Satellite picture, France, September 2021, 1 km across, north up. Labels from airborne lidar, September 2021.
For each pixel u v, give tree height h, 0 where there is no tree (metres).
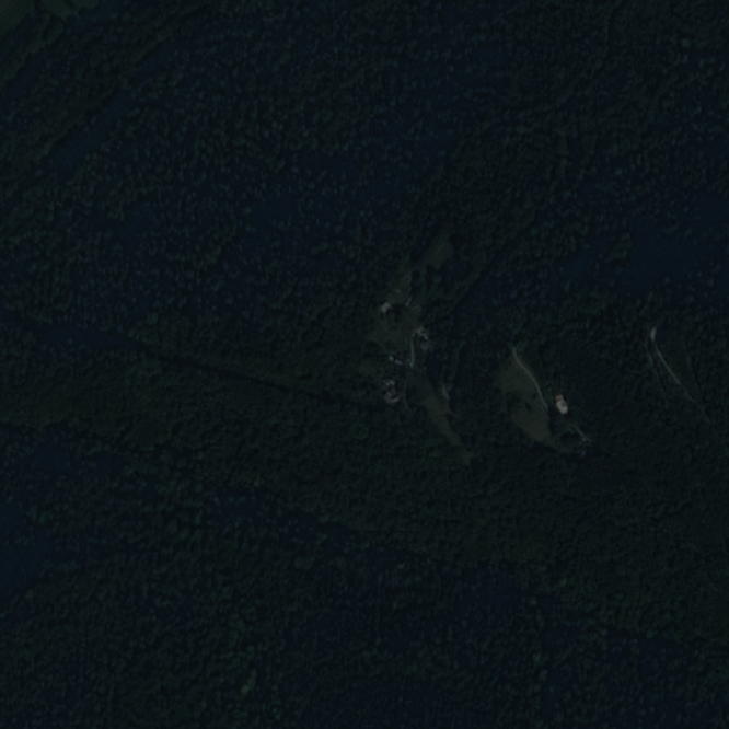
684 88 14
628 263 25
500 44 27
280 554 30
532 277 15
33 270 31
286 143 17
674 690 28
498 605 23
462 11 19
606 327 22
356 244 20
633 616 21
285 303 19
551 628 37
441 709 21
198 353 21
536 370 6
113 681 31
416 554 35
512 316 28
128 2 15
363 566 30
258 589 23
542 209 29
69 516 33
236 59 26
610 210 25
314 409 22
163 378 15
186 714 35
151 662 30
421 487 29
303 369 9
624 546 27
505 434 16
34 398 21
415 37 9
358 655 26
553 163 24
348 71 28
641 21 22
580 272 29
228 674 21
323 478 31
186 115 23
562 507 25
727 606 18
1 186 16
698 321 23
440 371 22
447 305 12
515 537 23
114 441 33
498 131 21
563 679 32
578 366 22
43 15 17
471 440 14
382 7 20
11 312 21
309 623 9
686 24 21
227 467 28
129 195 27
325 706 19
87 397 23
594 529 25
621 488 25
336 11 27
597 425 26
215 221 33
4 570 27
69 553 29
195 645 31
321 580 24
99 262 27
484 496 22
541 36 24
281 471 29
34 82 23
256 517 28
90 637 33
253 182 19
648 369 17
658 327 13
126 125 22
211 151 28
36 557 22
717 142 26
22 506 26
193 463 30
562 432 19
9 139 39
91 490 29
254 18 17
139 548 31
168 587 30
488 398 19
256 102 28
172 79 26
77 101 27
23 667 14
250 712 28
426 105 35
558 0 28
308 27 28
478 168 25
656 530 23
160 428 32
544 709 25
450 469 16
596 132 25
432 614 19
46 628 29
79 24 0
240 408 18
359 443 15
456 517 25
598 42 24
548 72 27
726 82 26
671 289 25
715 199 31
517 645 25
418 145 28
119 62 26
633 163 27
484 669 18
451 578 25
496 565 33
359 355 21
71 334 6
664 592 30
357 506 28
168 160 11
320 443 26
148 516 31
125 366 25
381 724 20
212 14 16
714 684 34
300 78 22
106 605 34
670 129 26
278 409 19
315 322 10
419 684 20
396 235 25
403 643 15
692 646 27
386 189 27
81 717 23
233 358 24
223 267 21
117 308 36
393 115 28
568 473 18
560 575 27
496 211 22
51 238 28
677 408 20
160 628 32
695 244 34
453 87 31
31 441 11
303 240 29
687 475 27
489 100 22
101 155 14
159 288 30
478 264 25
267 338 25
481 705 25
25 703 30
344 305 25
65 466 28
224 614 24
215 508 26
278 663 19
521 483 25
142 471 20
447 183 19
